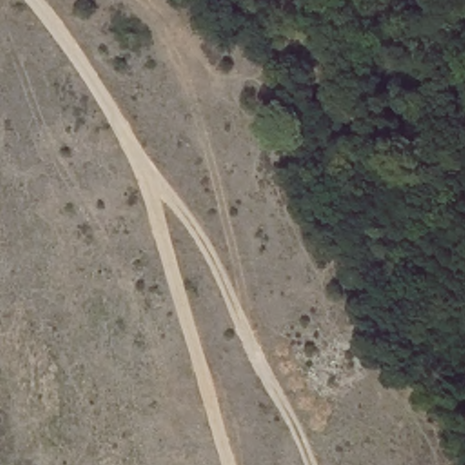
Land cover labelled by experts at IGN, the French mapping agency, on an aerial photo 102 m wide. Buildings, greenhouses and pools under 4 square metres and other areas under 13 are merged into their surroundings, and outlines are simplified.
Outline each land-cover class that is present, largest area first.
<instances>
[{"label":"herbaceous vegetation","instance_id":"1","mask_svg":"<svg viewBox=\"0 0 465 465\"><path fill-rule=\"evenodd\" d=\"M0 465H222L214 445L213 430L203 407L191 354L185 343L178 314L174 312L173 296L167 285L162 258L156 247L147 207L138 189L133 167L114 134L113 127L107 122L104 111L96 104L93 94L89 93L82 76L74 69L64 49L58 45L53 35L47 31V27L35 15V11L25 4L24 0H0ZM53 7L54 13L60 16L65 29L84 51L89 64L93 65L98 78L102 80L105 89L113 96L125 120L131 125L143 151L153 160L163 178L189 207V211L196 216L203 231L207 232L231 280L232 289L240 298L243 312L249 318L256 340L262 345L265 360L269 363L274 378L280 383L283 394L291 403L292 411L302 423L318 465H450L449 458L443 456L441 450L440 423H430L427 420V412L412 409L411 387H383L380 383V371L365 369L360 358H354V367L347 369L345 351L351 345L354 327L351 318L345 312V300H331L325 289L336 274V263L329 262L325 267L316 265L303 242L300 225L292 220L287 205L278 203L285 193L278 183L274 187L258 185L263 174L258 171L262 149L260 140L251 131L254 116L243 107L240 96L243 87H262V67L247 60L242 47L238 45L232 47L231 71L223 73L216 65H211L202 51V38L191 29L189 11L174 9L167 4V0H96V11L93 15L82 18L73 13L76 0H45ZM116 11H122L127 16H138L153 33V45L142 47L140 53H134L127 60L124 71L114 69V58L122 49L111 33V16ZM163 216L169 227L176 262L189 296L196 331L202 341L207 367L211 371L223 425L231 443L236 465H303L302 456L292 440L289 427L282 420L276 405L272 403L260 376L254 371L247 352L243 349L242 340L234 332L231 314L223 302L222 292L216 285L213 272L205 262L200 249L196 247L191 234L176 218L171 207L163 203Z\"/></svg>","mask_w":465,"mask_h":465},{"label":"deciduous trees","instance_id":"2","mask_svg":"<svg viewBox=\"0 0 465 465\"><path fill-rule=\"evenodd\" d=\"M96 11V0H76L73 13L82 18L93 15ZM167 4L174 9L189 11L191 29L202 38V51L211 65H216L223 73L231 71L232 47L238 45L242 47L247 60L262 67V87H243L240 96L243 107L254 116L251 131L260 140L262 149L258 171L263 174L258 185L274 187L278 183L285 193L278 203L287 205L292 220L300 225L303 242L316 265L325 267L329 262L336 263V274L325 289L331 300H345V312L351 318L354 327L351 345L345 351L347 369L354 367V358H360L365 369L380 371V383L383 387H411L412 409L427 412V420L430 423H440L441 450L443 456L449 458L450 465H465V0H167ZM111 33L122 49L114 58V69L124 71L127 60L134 53H140L142 47L153 45V33L138 16H127L122 11H116L111 16Z\"/></svg>","mask_w":465,"mask_h":465},{"label":"pervious surface","instance_id":"3","mask_svg":"<svg viewBox=\"0 0 465 465\"><path fill-rule=\"evenodd\" d=\"M25 4L35 11V15L47 27V31L53 35L58 45L64 49L74 69L82 76L89 93L93 94L96 104L104 111L107 122L113 127L114 134L133 167L138 189L147 207L156 247L162 258L167 285L173 296L174 312L178 314L185 343L191 354L203 407L213 430L214 445L222 465H236L231 443L223 425L211 371L207 367L202 341L196 331L189 296L176 262L169 227L163 216V203L171 207L176 218L191 234L196 247L200 249L205 262L213 272L216 285L222 292L223 302L231 314L234 332L242 340L243 349L247 352L254 371L260 376L272 403L276 405L282 420L289 427L292 440L302 456L303 465H318L302 423L292 411L291 403L283 394L280 383L274 378L269 363L265 360L262 345L256 340L249 318L243 312L240 298L232 289L231 280L207 232L203 231L196 216L189 211V207L163 178L153 160L143 151L131 125L125 120L113 96L105 89L102 80L98 78L93 65L89 64L84 51L65 29L60 16L54 13L53 7L45 0H24Z\"/></svg>","mask_w":465,"mask_h":465}]
</instances>
